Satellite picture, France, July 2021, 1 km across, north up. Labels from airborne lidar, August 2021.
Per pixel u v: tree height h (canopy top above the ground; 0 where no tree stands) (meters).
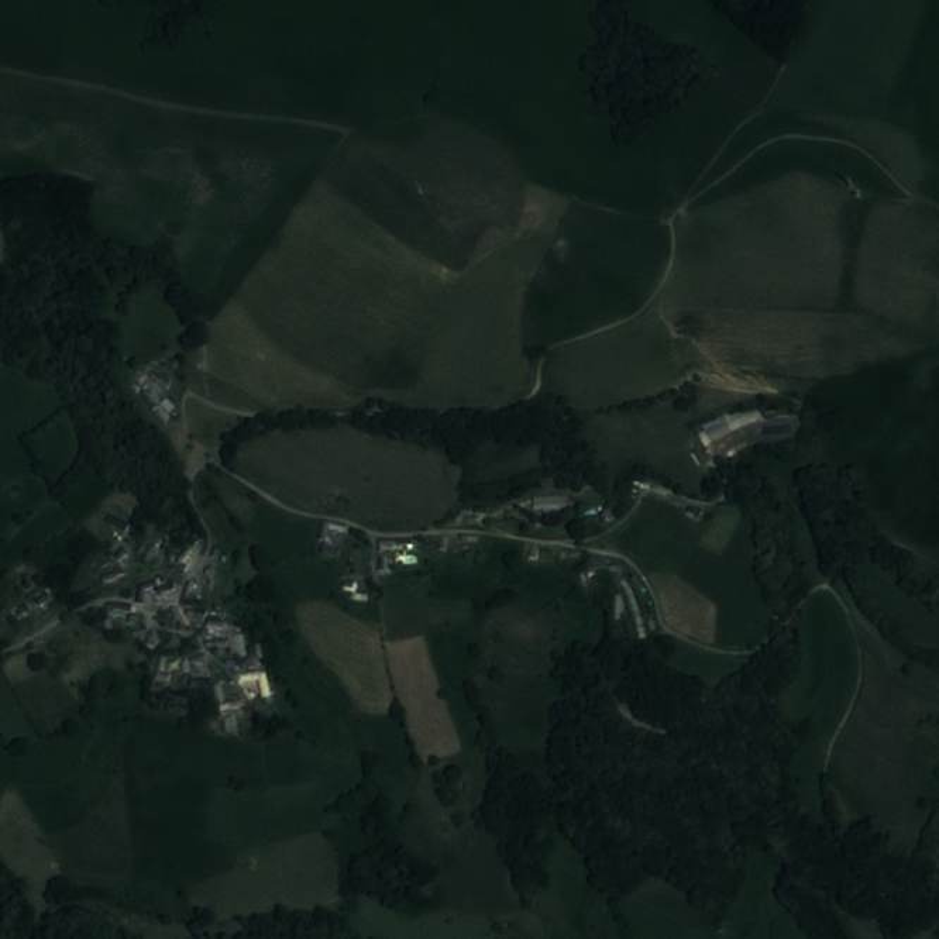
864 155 0
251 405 0
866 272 0
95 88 0
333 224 0
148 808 0
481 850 0
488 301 0
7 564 0
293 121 0
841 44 0
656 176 0
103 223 0
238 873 0
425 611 0
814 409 13
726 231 0
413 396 0
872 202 0
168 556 6
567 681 14
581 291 0
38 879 0
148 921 0
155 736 0
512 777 8
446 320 0
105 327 21
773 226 0
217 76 0
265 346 0
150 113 0
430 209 0
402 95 0
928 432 0
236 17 0
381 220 0
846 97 0
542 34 0
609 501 12
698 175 0
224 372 0
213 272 0
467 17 0
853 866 25
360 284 0
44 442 0
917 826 0
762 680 25
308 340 0
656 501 0
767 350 0
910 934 26
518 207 0
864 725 0
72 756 0
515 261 0
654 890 0
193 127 0
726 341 0
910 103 0
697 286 0
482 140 0
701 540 0
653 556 0
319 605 0
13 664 0
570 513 16
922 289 0
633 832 16
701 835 19
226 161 0
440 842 0
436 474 0
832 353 0
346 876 12
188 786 0
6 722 0
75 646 0
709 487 20
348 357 0
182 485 18
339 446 0
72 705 0
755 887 0
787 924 0
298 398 0
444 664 0
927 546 0
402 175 0
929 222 0
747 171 0
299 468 0
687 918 0
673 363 0
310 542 0
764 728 25
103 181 0
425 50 0
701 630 0
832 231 0
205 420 0
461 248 0
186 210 0
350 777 0
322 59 0
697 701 26
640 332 0
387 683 0
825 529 25
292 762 0
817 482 28
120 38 0
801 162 0
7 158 0
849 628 0
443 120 0
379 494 0
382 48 0
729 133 0
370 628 0
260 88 0
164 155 0
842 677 0
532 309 0
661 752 28
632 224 0
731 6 9
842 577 8
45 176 12
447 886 0
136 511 10
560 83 0
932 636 0
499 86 0
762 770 27
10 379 0
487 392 0
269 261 0
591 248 0
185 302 24
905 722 0
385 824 17
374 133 0
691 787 11
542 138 0
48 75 0
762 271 0
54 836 0
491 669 7
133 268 18
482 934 0
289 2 0
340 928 17
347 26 0
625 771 23
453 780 17
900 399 0
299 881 0
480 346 0
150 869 0
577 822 26
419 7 0
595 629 0
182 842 0
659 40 13
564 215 0
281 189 0
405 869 17
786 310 0
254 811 0
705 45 0
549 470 16
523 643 0
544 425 25
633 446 0
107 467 23
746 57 0
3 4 0
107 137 0
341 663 0
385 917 0
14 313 13
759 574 13
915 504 0
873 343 0
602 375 0
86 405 18
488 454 0
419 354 0
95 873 0
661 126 0
